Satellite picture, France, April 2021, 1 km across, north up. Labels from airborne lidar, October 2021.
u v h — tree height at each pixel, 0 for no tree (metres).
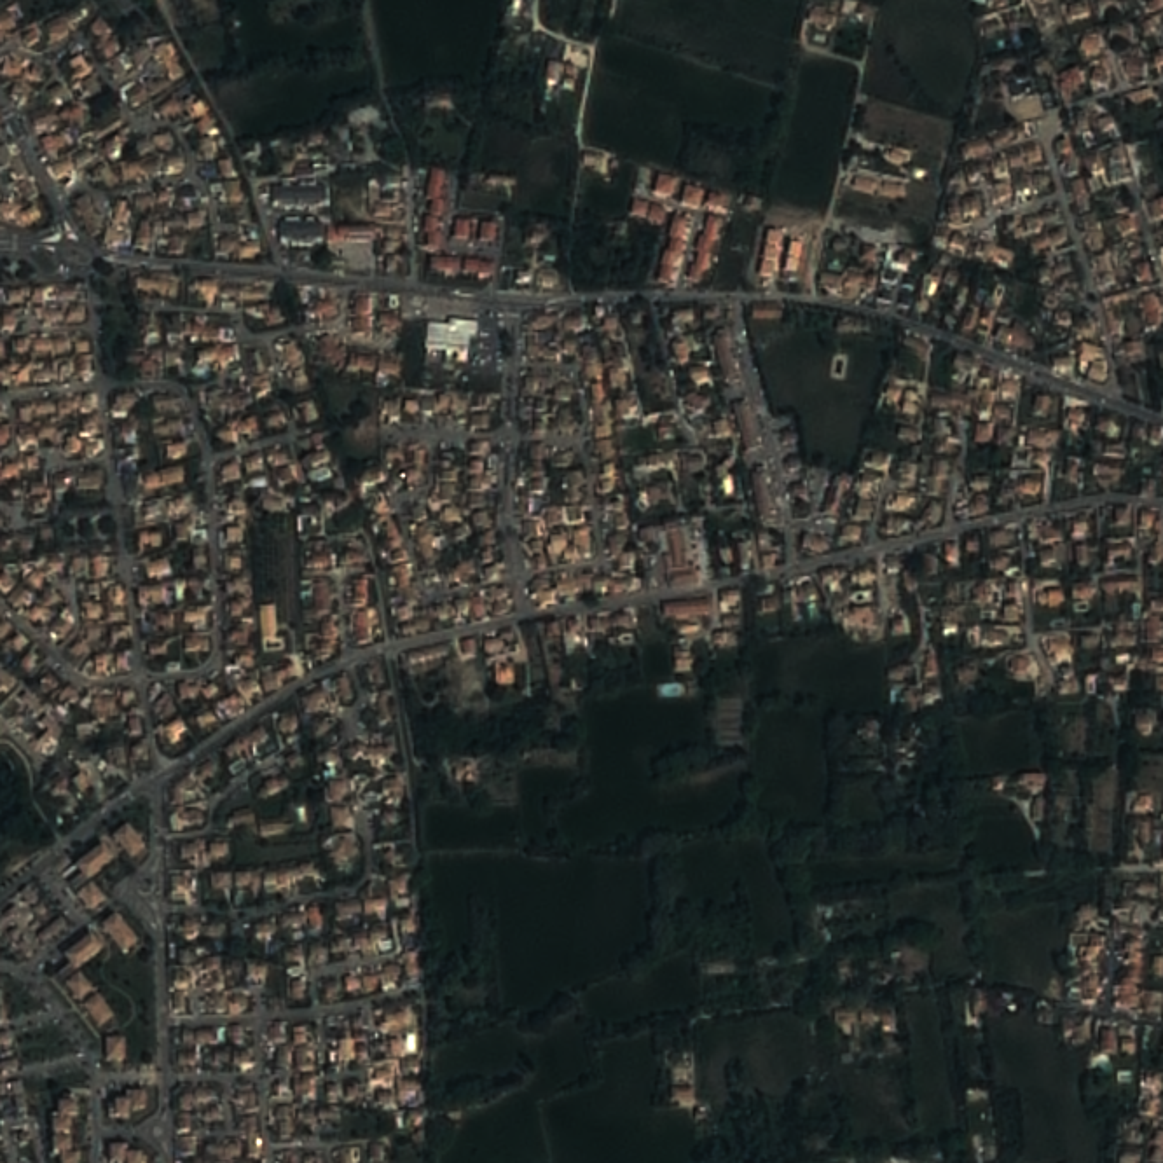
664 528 0
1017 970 0
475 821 0
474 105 10
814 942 16
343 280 0
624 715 0
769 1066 0
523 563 0
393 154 10
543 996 0
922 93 6
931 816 16
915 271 10
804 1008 14
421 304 0
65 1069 6
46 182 0
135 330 12
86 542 7
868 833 13
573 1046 0
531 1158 0
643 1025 9
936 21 0
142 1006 6
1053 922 0
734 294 0
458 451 8
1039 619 7
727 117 0
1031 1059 0
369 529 7
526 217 9
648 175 0
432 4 0
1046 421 12
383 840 6
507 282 0
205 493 9
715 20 0
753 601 10
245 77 14
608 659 12
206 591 9
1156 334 10
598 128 0
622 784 0
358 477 12
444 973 12
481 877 0
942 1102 0
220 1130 7
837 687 0
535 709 6
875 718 6
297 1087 0
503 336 6
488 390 0
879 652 0
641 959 14
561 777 0
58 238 0
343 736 8
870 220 0
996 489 6
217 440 8
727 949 11
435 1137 15
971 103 7
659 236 7
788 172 0
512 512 0
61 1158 0
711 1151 15
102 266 11
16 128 0
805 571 0
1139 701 10
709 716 8
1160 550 0
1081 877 15
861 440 8
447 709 6
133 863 8
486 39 0
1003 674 7
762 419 6
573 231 9
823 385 0
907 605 9
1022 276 10
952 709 12
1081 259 6
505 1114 0
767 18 0
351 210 0
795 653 0
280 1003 8
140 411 13
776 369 0
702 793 0
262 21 0
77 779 0
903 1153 8
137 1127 0
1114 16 13
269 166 7
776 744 0
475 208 0
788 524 0
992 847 0
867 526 6
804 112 0
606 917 0
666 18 0
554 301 0
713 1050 0
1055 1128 0
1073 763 6
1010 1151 13
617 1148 0
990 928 13
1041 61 0
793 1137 6
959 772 19
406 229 0
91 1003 0
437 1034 10
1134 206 14
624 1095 0
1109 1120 9
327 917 10
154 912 0
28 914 0
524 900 0
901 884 11
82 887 0
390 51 0
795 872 18
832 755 13
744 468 12
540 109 6
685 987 0
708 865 0
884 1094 0
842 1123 13
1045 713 10
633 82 0
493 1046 0
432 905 9
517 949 0
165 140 0
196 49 10
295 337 6
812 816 0
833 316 11
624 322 9
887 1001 18
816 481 0
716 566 6
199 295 8
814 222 0
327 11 15
